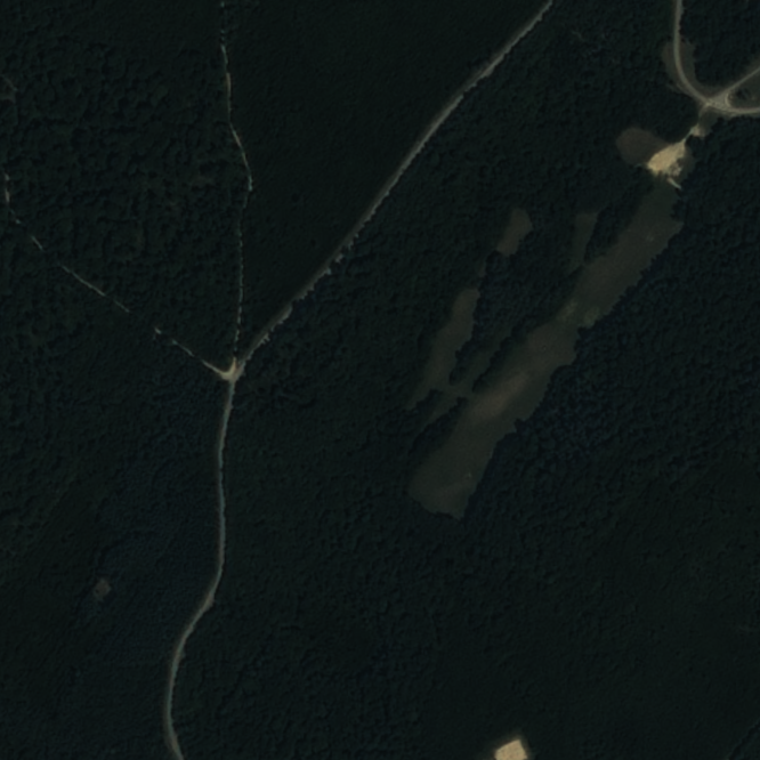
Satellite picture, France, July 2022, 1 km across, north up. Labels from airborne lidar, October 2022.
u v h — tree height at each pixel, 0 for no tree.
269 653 20
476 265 26
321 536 21
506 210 21
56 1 26
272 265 7
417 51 11
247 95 8
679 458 12
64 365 25
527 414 0
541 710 12
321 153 11
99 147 29
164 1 11
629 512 9
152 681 9
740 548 7
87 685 18
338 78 12
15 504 8
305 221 7
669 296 21
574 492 27
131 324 18
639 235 0
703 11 16
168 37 10
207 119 22
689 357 22
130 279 18
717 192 23
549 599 12
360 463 26
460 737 11
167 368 17
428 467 0
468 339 0
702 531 9
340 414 15
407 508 22
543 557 23
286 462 18
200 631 16
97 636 7
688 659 8
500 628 22
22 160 32
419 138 14
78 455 19
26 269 29
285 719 19
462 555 26
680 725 12
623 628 15
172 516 18
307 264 8
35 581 13
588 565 21
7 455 19
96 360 21
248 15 11
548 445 29
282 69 10
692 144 17
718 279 27
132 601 18
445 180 6
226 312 16
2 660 8
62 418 20
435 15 10
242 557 14
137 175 27
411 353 20
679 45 0
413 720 15
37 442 21
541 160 17
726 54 22
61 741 13
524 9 10
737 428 27
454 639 13
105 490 8
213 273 20
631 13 24
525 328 24
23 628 6
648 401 22
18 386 18
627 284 0
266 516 17
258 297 7
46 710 7
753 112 0
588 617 20
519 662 14
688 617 8
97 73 28
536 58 17
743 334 22
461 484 0
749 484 10
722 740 11
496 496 18
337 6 12
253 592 14
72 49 25
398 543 21
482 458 0
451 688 12
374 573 21
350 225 10
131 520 10
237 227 18
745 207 17
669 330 24
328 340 6
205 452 11
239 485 15
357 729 28
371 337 8
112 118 30
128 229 27
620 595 19
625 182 24
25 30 9
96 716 9
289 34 10
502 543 24
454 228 15
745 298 21
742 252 23
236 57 7
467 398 6
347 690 22
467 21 10
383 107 8
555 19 18
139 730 11
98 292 13
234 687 18
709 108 0
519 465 21
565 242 14
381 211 12
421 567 19
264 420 21
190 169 25
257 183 8
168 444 21
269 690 23
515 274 17
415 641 17
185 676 11
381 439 24
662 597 8
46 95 28
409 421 25
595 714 12
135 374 19
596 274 0
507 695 13
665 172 0
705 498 8
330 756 14
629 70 21
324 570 23
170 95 19
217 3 7
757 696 8
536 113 27
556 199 10
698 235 22
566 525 22
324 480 23
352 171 12
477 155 22
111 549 20
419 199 22
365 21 11
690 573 7
